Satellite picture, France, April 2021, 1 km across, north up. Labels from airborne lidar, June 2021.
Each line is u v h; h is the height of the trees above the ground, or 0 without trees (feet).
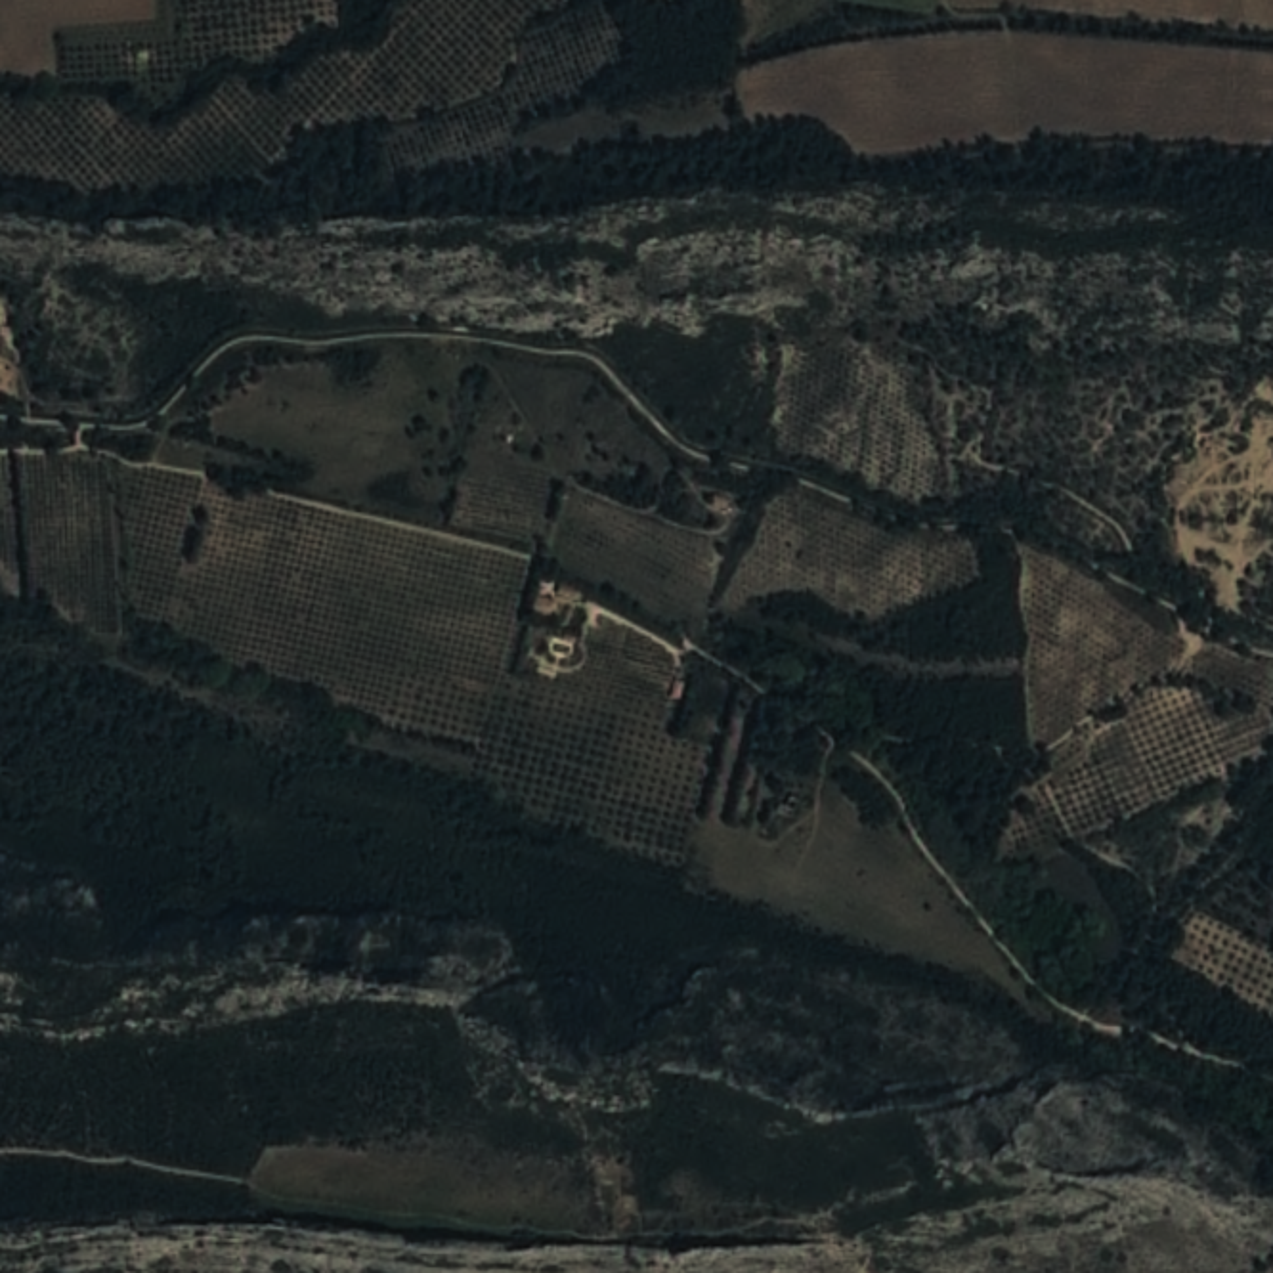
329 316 0
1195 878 38
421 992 0
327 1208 0
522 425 0
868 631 32
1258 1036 71
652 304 0
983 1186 0
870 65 0
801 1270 0
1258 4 0
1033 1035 28
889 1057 0
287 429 0
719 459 44
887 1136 0
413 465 0
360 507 18
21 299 29
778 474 29
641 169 36
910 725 32
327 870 17
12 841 21
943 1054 0
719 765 49
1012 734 19
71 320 0
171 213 48
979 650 26
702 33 52
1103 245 25
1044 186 28
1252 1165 0
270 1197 0
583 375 0
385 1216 0
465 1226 0
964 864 35
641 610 31
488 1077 0
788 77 0
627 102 47
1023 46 0
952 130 0
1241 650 34
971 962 0
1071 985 64
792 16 0
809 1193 0
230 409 0
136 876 21
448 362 0
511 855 28
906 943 0
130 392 0
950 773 37
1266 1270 36
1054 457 32
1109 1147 0
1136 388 27
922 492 0
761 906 20
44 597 39
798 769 65
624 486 28
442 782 27
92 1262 0
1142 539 25
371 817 18
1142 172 36
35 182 34
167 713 47
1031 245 20
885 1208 0
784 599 27
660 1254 0
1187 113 0
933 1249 0
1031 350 53
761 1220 0
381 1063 20
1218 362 22
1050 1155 0
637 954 18
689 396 0
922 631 20
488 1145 0
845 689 66
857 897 0
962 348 32
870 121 0
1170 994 68
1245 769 27
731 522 0
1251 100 0
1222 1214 0
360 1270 0
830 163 44
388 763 35
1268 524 18
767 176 35
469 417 25
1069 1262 0
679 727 37
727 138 39
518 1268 0
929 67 0
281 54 23
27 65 0
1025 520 56
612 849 28
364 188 44
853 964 31
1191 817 0
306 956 0
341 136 44
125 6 0
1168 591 41
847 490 28
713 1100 0
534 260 24
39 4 0
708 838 0
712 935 20
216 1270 0
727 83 42
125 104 61
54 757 51
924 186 25
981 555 21
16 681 31
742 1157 0
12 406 42
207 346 26
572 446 0
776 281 0
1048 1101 0
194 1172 0
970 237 24
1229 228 20
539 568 51
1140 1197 0
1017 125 0
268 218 37
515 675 18
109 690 19
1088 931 68
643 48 55
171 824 20
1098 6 0
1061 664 0
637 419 21
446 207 25
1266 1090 52
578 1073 0
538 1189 0
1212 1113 41
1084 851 23
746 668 55
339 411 0
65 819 20
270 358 24
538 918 23
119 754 48
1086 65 0
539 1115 0
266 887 24
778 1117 0
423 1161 0
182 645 36
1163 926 28
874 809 35
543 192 28
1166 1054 37
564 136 0
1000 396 29
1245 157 29
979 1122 0
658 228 0
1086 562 27
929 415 26
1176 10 0
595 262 0
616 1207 0
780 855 0
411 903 19
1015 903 58
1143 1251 0
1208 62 0
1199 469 0
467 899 47
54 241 0
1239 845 37
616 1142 0
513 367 0
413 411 0
